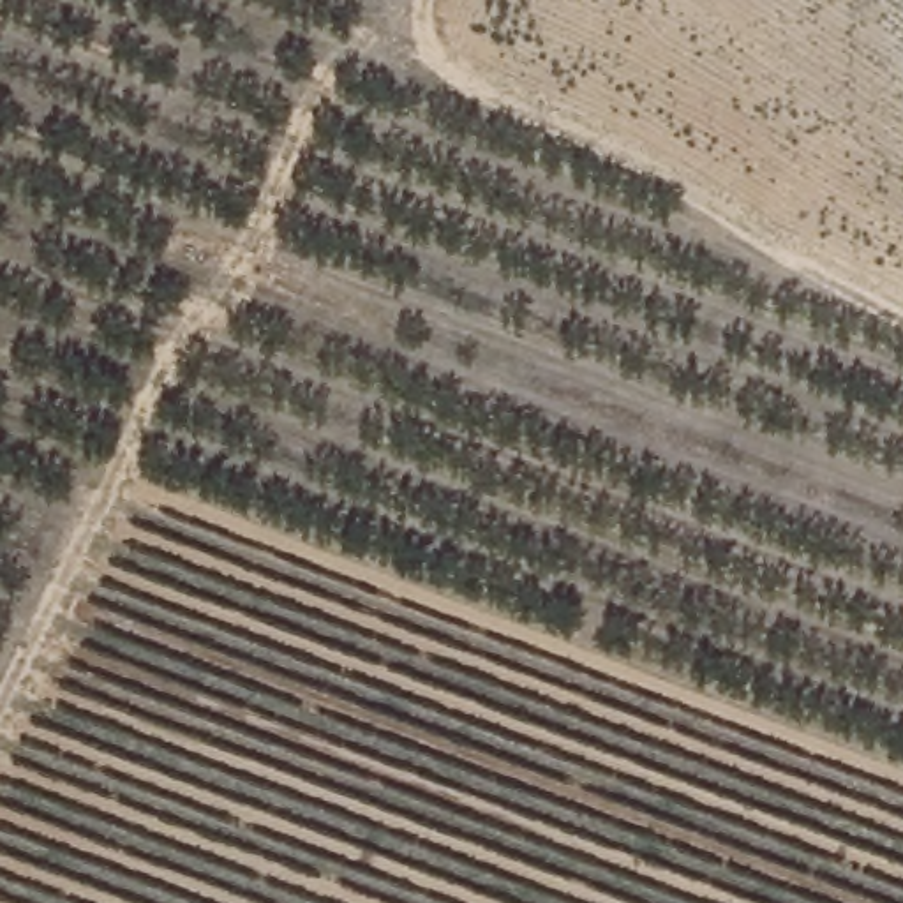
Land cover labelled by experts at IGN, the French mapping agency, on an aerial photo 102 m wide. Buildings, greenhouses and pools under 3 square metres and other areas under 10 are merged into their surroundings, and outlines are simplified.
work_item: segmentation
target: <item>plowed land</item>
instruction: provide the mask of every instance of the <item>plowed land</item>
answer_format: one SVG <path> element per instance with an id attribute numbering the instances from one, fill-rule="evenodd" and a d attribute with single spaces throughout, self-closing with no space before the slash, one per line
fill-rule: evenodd
<path id="1" fill-rule="evenodd" d="M 370 402 L 377 402 L 381 388 L 360 388 L 353 377 L 335 377 L 321 367 L 307 367 L 296 353 L 275 353 L 275 367 L 289 370 L 296 381 L 328 388 L 325 423 L 296 416 L 289 406 L 275 402 L 254 413 L 257 423 L 268 423 L 275 430 L 275 441 L 282 448 L 307 455 L 321 441 L 332 441 L 346 452 L 363 455 L 363 462 L 374 469 L 399 469 L 413 476 L 413 483 L 469 490 L 469 476 L 462 473 L 434 469 L 430 462 L 395 455 L 392 437 L 381 437 L 374 448 L 360 437 L 360 413 Z"/>
<path id="2" fill-rule="evenodd" d="M 452 208 L 466 212 L 466 229 L 497 226 L 501 233 L 515 233 L 522 222 L 497 208 L 487 208 L 483 201 L 462 198 L 459 190 L 441 190 L 427 183 L 416 169 L 384 169 L 381 162 L 363 162 L 346 148 L 335 148 L 332 162 L 353 169 L 356 183 L 370 187 L 370 208 L 363 212 L 356 205 L 335 205 L 321 194 L 310 194 L 303 205 L 325 219 L 360 226 L 360 233 L 381 229 L 381 190 L 388 187 L 413 190 L 423 205 L 434 205 L 434 219 L 444 219 Z"/>
<path id="3" fill-rule="evenodd" d="M 741 360 L 723 346 L 727 328 L 734 325 L 751 339 L 780 335 L 783 349 L 804 349 L 815 367 L 818 349 L 825 349 L 840 363 L 864 363 L 878 370 L 885 381 L 896 381 L 899 363 L 889 349 L 868 346 L 864 335 L 850 335 L 850 346 L 840 342 L 836 321 L 811 328 L 808 317 L 780 317 L 776 303 L 737 303 L 723 289 L 695 286 L 670 272 L 656 272 L 649 261 L 631 261 L 607 247 L 578 243 L 529 219 L 522 236 L 526 247 L 540 243 L 550 250 L 564 250 L 578 261 L 593 261 L 607 275 L 638 279 L 646 293 L 688 296 L 698 307 L 691 339 L 670 335 L 667 325 L 646 325 L 646 314 L 624 314 L 607 303 L 593 303 L 586 317 L 593 325 L 621 328 L 621 339 L 628 339 L 631 332 L 642 335 L 649 342 L 649 360 L 670 360 L 684 367 L 688 356 L 695 356 L 698 370 L 709 370 L 720 360 L 730 367 L 730 388 L 744 388 L 748 377 L 780 384 L 808 416 L 808 430 L 772 434 L 758 420 L 741 416 L 737 409 L 695 406 L 695 399 L 688 395 L 674 395 L 670 384 L 660 384 L 642 374 L 628 377 L 621 374 L 621 367 L 607 360 L 564 349 L 561 321 L 571 314 L 568 293 L 561 293 L 557 286 L 540 286 L 526 275 L 501 272 L 497 254 L 487 254 L 480 261 L 452 254 L 441 243 L 409 236 L 406 226 L 392 229 L 384 247 L 413 254 L 427 272 L 452 279 L 455 286 L 480 293 L 487 300 L 504 300 L 519 289 L 529 293 L 526 328 L 511 328 L 487 314 L 459 310 L 413 286 L 392 286 L 356 268 L 335 268 L 282 250 L 275 233 L 275 208 L 289 201 L 293 169 L 314 131 L 314 106 L 332 102 L 346 116 L 356 116 L 356 102 L 335 88 L 335 63 L 356 53 L 388 67 L 395 81 L 420 78 L 423 88 L 416 106 L 409 106 L 406 113 L 374 109 L 367 123 L 374 134 L 409 131 L 423 145 L 437 145 L 441 134 L 441 127 L 430 127 L 427 120 L 427 99 L 441 81 L 416 60 L 413 0 L 367 0 L 360 7 L 360 21 L 349 28 L 349 39 L 339 39 L 325 25 L 310 28 L 307 39 L 314 53 L 314 71 L 307 81 L 282 85 L 282 95 L 293 102 L 293 113 L 286 131 L 272 145 L 268 173 L 247 222 L 226 226 L 208 208 L 187 208 L 183 201 L 173 205 L 173 236 L 166 243 L 166 265 L 187 272 L 190 296 L 180 303 L 176 314 L 159 321 L 155 356 L 131 406 L 123 406 L 116 452 L 106 462 L 92 462 L 88 469 L 78 469 L 71 476 L 71 501 L 78 504 L 78 519 L 71 522 L 60 543 L 56 564 L 42 593 L 32 586 L 21 589 L 0 653 L 0 737 L 18 741 L 32 713 L 56 709 L 63 688 L 56 681 L 71 667 L 67 656 L 74 653 L 74 646 L 88 638 L 88 628 L 95 624 L 95 607 L 88 603 L 88 596 L 95 593 L 95 582 L 102 575 L 120 578 L 123 571 L 109 564 L 109 557 L 116 554 L 116 543 L 127 540 L 134 529 L 131 515 L 141 511 L 155 519 L 159 508 L 176 504 L 183 490 L 166 490 L 145 480 L 138 452 L 141 434 L 152 430 L 159 395 L 169 384 L 176 384 L 176 353 L 187 346 L 190 335 L 205 335 L 215 349 L 233 349 L 247 360 L 261 360 L 261 346 L 233 339 L 226 321 L 240 303 L 254 300 L 286 307 L 293 321 L 314 321 L 328 332 L 353 335 L 374 349 L 392 349 L 399 339 L 399 314 L 420 310 L 430 325 L 430 339 L 423 346 L 413 346 L 406 360 L 416 367 L 427 363 L 434 377 L 459 377 L 462 392 L 511 395 L 522 406 L 536 406 L 554 423 L 600 430 L 603 437 L 628 444 L 631 455 L 653 452 L 660 466 L 705 469 L 720 480 L 720 490 L 748 487 L 751 494 L 780 501 L 787 511 L 818 511 L 825 519 L 847 522 L 861 529 L 864 543 L 903 547 L 903 469 L 885 469 L 868 459 L 829 452 L 825 416 L 843 409 L 840 395 L 811 388 L 790 370 Z"/>
<path id="4" fill-rule="evenodd" d="M 480 145 L 476 138 L 466 138 L 459 159 L 480 159 L 490 169 L 508 169 L 519 183 L 533 183 L 540 194 L 564 194 L 571 201 L 582 201 L 586 208 L 600 212 L 603 222 L 635 222 L 649 229 L 656 243 L 667 236 L 705 243 L 720 257 L 748 261 L 751 279 L 783 282 L 794 275 L 808 289 L 871 310 L 889 325 L 903 325 L 903 219 L 878 219 L 868 229 L 857 226 L 847 240 L 850 215 L 840 219 L 843 236 L 829 236 L 829 208 L 818 208 L 818 233 L 811 240 L 790 236 L 787 247 L 780 247 L 765 233 L 744 233 L 737 226 L 737 215 L 744 208 L 730 205 L 723 194 L 691 187 L 684 198 L 677 212 L 656 219 L 653 212 L 638 212 L 621 201 L 610 201 L 607 194 L 596 194 L 593 183 L 575 187 L 571 166 L 547 173 L 543 166 L 526 166 L 522 159 L 501 155 Z"/>
<path id="5" fill-rule="evenodd" d="M 903 607 L 903 586 L 829 561 L 818 564 L 811 582 L 815 593 L 825 593 L 825 578 L 836 578 L 847 593 L 868 593 L 875 600 Z"/>
<path id="6" fill-rule="evenodd" d="M 286 501 L 314 511 L 332 526 L 377 533 L 381 540 L 402 543 L 406 550 L 427 550 L 430 536 L 423 533 L 392 526 L 388 519 L 363 508 L 349 508 L 349 515 L 342 515 L 325 497 L 296 487 L 303 473 L 300 466 L 268 459 L 254 473 L 247 466 L 226 466 L 222 455 L 212 455 L 205 462 L 201 448 L 180 444 L 173 452 L 176 462 L 198 469 L 201 480 L 219 476 L 226 483 L 247 483 L 254 476 L 268 476 L 265 494 L 282 494 Z"/>
<path id="7" fill-rule="evenodd" d="M 730 540 L 734 554 L 755 554 L 758 561 L 790 561 L 808 568 L 808 554 L 769 543 L 765 536 L 751 536 L 741 526 L 698 519 L 698 487 L 688 487 L 684 501 L 677 504 L 660 497 L 646 501 L 646 515 L 653 522 L 684 522 L 691 533 Z"/>
<path id="8" fill-rule="evenodd" d="M 18 28 L 11 18 L 0 18 L 0 49 L 14 49 L 25 60 L 49 56 L 74 63 L 74 49 L 56 46 L 53 35 L 35 35 L 28 28 Z"/>
<path id="9" fill-rule="evenodd" d="M 607 494 L 614 504 L 628 501 L 628 483 L 617 483 L 596 469 L 571 469 L 550 455 L 550 448 L 529 448 L 529 441 L 511 441 L 497 455 L 497 466 L 511 466 L 515 459 L 522 459 L 533 469 L 554 473 L 557 487 L 578 497 Z"/>
<path id="10" fill-rule="evenodd" d="M 677 575 L 688 586 L 709 586 L 741 603 L 751 603 L 751 610 L 762 610 L 769 624 L 776 624 L 776 617 L 794 617 L 804 628 L 815 628 L 818 642 L 861 642 L 882 653 L 889 667 L 903 667 L 903 649 L 885 642 L 875 624 L 854 628 L 847 614 L 815 614 L 804 603 L 797 603 L 797 575 L 787 575 L 787 586 L 780 586 L 776 596 L 762 596 L 758 589 L 744 589 L 737 575 L 727 568 L 709 571 L 705 557 L 681 557 L 677 547 L 660 547 L 646 536 L 624 540 L 621 526 L 589 526 L 575 519 L 568 529 L 582 543 L 603 547 L 617 557 L 646 561 L 653 575 Z"/>
<path id="11" fill-rule="evenodd" d="M 621 607 L 624 589 L 596 586 L 582 571 L 547 571 L 543 582 L 536 575 L 526 575 L 519 582 L 519 596 L 533 596 L 543 607 L 582 603 L 582 621 L 571 635 L 575 642 L 596 646 L 603 617 L 624 628 L 638 628 L 642 621 L 642 614 Z"/>
<path id="12" fill-rule="evenodd" d="M 797 116 L 797 85 L 787 81 L 787 95 L 758 102 L 755 116 Z"/>
<path id="13" fill-rule="evenodd" d="M 850 430 L 861 430 L 861 423 L 871 420 L 878 423 L 878 437 L 903 437 L 903 420 L 882 416 L 864 402 L 857 402 L 850 416 Z"/>
<path id="14" fill-rule="evenodd" d="M 519 504 L 511 501 L 511 494 L 497 490 L 480 497 L 480 511 L 504 511 L 511 519 L 511 540 L 529 543 L 533 529 L 557 526 L 561 511 Z"/>

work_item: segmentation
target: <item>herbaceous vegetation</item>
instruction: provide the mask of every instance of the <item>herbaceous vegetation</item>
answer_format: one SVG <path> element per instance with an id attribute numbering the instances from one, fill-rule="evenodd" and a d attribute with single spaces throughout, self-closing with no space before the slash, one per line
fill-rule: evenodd
<path id="1" fill-rule="evenodd" d="M 868 229 L 878 219 L 903 219 L 903 0 L 529 0 L 536 28 L 547 42 L 547 56 L 540 60 L 536 46 L 529 42 L 497 46 L 487 35 L 473 32 L 476 21 L 490 21 L 483 0 L 434 0 L 434 35 L 448 60 L 469 60 L 473 74 L 494 85 L 494 99 L 487 106 L 508 109 L 526 123 L 571 138 L 628 169 L 677 183 L 684 198 L 691 187 L 723 194 L 730 205 L 744 208 L 737 215 L 737 226 L 744 233 L 765 233 L 780 247 L 787 247 L 790 236 L 811 240 L 818 233 L 818 208 L 829 208 L 829 236 L 843 236 L 840 219 L 850 215 L 847 240 L 857 226 Z M 564 63 L 575 60 L 578 46 L 586 49 L 586 63 L 596 63 L 596 74 L 582 78 L 575 92 L 564 95 L 554 78 Z M 787 95 L 787 81 L 797 85 L 797 116 L 755 116 L 758 102 Z"/>

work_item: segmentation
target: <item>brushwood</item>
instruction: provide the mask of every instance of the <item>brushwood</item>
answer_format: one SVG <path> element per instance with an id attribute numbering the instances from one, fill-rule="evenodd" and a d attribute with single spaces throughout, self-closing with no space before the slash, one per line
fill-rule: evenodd
<path id="1" fill-rule="evenodd" d="M 476 21 L 473 32 L 487 35 L 497 46 L 529 42 L 536 46 L 540 60 L 547 56 L 547 42 L 536 28 L 529 0 L 483 0 L 490 21 Z"/>
<path id="2" fill-rule="evenodd" d="M 596 74 L 596 63 L 586 63 L 586 49 L 578 46 L 575 60 L 564 63 L 554 78 L 564 95 L 575 92 L 582 78 Z"/>

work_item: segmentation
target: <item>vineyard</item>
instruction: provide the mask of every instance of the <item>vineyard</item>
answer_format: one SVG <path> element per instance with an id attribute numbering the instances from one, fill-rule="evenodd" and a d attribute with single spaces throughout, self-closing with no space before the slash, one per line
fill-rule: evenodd
<path id="1" fill-rule="evenodd" d="M 716 684 L 698 688 L 691 677 L 677 677 L 660 663 L 631 663 L 596 646 L 575 642 L 571 635 L 554 635 L 543 624 L 526 624 L 490 603 L 473 603 L 448 589 L 420 586 L 374 557 L 349 557 L 342 554 L 342 547 L 321 547 L 314 540 L 303 540 L 300 533 L 275 529 L 257 515 L 240 515 L 215 501 L 205 501 L 194 490 L 183 490 L 176 504 L 159 508 L 155 519 L 141 511 L 131 515 L 134 529 L 127 540 L 116 543 L 116 554 L 109 557 L 109 564 L 123 571 L 120 578 L 102 575 L 95 582 L 95 593 L 88 596 L 88 603 L 95 607 L 95 624 L 88 628 L 88 638 L 74 646 L 74 653 L 67 656 L 71 667 L 56 681 L 63 688 L 56 709 L 32 713 L 18 741 L 0 737 L 0 903 L 903 903 L 903 794 L 892 794 L 843 769 L 822 765 L 815 758 L 783 751 L 776 744 L 755 741 L 741 730 L 702 720 L 698 713 L 716 713 L 723 720 L 755 727 L 808 751 L 903 783 L 903 762 L 892 762 L 885 748 L 868 751 L 861 741 L 847 741 L 822 727 L 801 727 L 769 709 L 755 709 L 751 702 L 737 702 L 723 695 Z"/>

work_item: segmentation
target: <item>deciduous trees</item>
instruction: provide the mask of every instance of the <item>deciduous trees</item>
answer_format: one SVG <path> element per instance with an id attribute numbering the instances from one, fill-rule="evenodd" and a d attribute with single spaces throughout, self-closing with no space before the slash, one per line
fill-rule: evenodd
<path id="1" fill-rule="evenodd" d="M 42 593 L 56 564 L 60 543 L 71 522 L 78 519 L 78 504 L 71 501 L 71 476 L 78 469 L 88 469 L 92 462 L 106 462 L 116 452 L 123 406 L 131 406 L 155 356 L 159 321 L 176 314 L 180 303 L 190 296 L 187 272 L 166 265 L 166 243 L 173 236 L 173 205 L 183 201 L 187 208 L 208 208 L 226 226 L 247 222 L 268 173 L 272 145 L 286 131 L 293 113 L 293 102 L 282 95 L 282 85 L 307 81 L 314 71 L 314 53 L 307 39 L 310 28 L 325 25 L 339 39 L 349 39 L 349 28 L 360 21 L 360 7 L 367 0 L 0 0 L 0 18 L 11 18 L 18 28 L 28 28 L 35 35 L 53 35 L 56 46 L 74 49 L 74 63 L 49 56 L 25 60 L 14 49 L 0 49 L 0 653 L 21 589 L 32 586 Z"/>
<path id="2" fill-rule="evenodd" d="M 564 349 L 607 360 L 621 367 L 621 374 L 628 377 L 642 374 L 660 384 L 670 384 L 674 395 L 688 395 L 695 399 L 695 406 L 737 409 L 741 416 L 758 420 L 772 434 L 808 430 L 808 416 L 780 384 L 748 377 L 744 388 L 730 388 L 730 367 L 720 360 L 709 370 L 698 370 L 695 356 L 688 356 L 684 367 L 670 360 L 649 360 L 649 342 L 642 335 L 631 332 L 628 339 L 621 339 L 621 328 L 593 325 L 586 317 L 593 303 L 607 303 L 624 314 L 646 314 L 646 325 L 667 325 L 670 335 L 691 339 L 698 307 L 688 296 L 646 293 L 638 279 L 607 275 L 593 261 L 578 261 L 564 250 L 550 250 L 540 243 L 526 247 L 522 236 L 529 219 L 578 243 L 607 247 L 631 261 L 649 261 L 656 272 L 670 272 L 695 286 L 723 289 L 737 303 L 776 303 L 780 317 L 808 317 L 811 328 L 836 321 L 840 342 L 850 346 L 850 335 L 864 335 L 868 346 L 889 349 L 899 363 L 896 381 L 885 381 L 878 370 L 864 363 L 840 363 L 825 349 L 818 349 L 815 367 L 804 349 L 783 349 L 780 335 L 751 339 L 734 325 L 727 328 L 723 346 L 741 360 L 790 370 L 811 388 L 840 395 L 843 409 L 825 416 L 829 452 L 868 459 L 885 469 L 903 469 L 903 437 L 878 437 L 878 423 L 871 420 L 861 423 L 861 430 L 850 430 L 850 416 L 857 402 L 864 402 L 882 416 L 903 420 L 903 325 L 889 325 L 871 310 L 808 289 L 794 275 L 783 282 L 751 279 L 748 261 L 720 257 L 705 243 L 667 236 L 656 243 L 649 229 L 635 222 L 603 222 L 600 212 L 586 208 L 582 201 L 571 201 L 564 194 L 540 194 L 533 183 L 519 183 L 508 169 L 490 169 L 480 159 L 459 159 L 466 138 L 476 138 L 480 145 L 501 155 L 522 159 L 526 166 L 543 166 L 547 173 L 571 166 L 575 187 L 593 183 L 596 194 L 607 194 L 610 201 L 621 201 L 638 212 L 653 212 L 656 219 L 677 212 L 684 198 L 677 183 L 628 169 L 571 138 L 526 123 L 508 109 L 487 106 L 441 81 L 427 99 L 427 120 L 430 127 L 441 127 L 441 134 L 437 145 L 423 145 L 409 131 L 374 134 L 367 123 L 374 109 L 406 113 L 409 106 L 416 106 L 423 88 L 420 78 L 395 81 L 388 67 L 356 53 L 335 63 L 335 88 L 356 102 L 356 116 L 346 116 L 332 102 L 314 106 L 314 131 L 293 169 L 289 201 L 275 208 L 275 233 L 282 250 L 335 268 L 356 268 L 392 286 L 413 286 L 459 310 L 487 314 L 511 328 L 526 328 L 529 293 L 519 289 L 504 300 L 487 300 L 480 293 L 455 286 L 452 279 L 427 272 L 413 254 L 384 247 L 392 229 L 406 226 L 409 236 L 441 243 L 452 254 L 480 261 L 487 254 L 497 254 L 501 272 L 526 275 L 540 286 L 557 286 L 561 293 L 568 293 L 571 314 L 561 321 Z M 335 148 L 346 148 L 363 162 L 381 162 L 384 169 L 416 169 L 427 183 L 441 190 L 459 190 L 462 198 L 483 201 L 487 208 L 497 208 L 522 222 L 515 233 L 501 233 L 497 226 L 466 229 L 466 212 L 452 208 L 444 219 L 434 219 L 434 205 L 423 205 L 413 190 L 388 187 L 381 190 L 381 229 L 360 233 L 360 226 L 325 219 L 303 205 L 310 194 L 321 194 L 335 205 L 356 205 L 363 212 L 370 208 L 370 187 L 356 183 L 353 169 L 332 162 Z"/>
<path id="3" fill-rule="evenodd" d="M 215 349 L 205 335 L 190 335 L 187 346 L 176 353 L 176 384 L 169 384 L 159 395 L 152 430 L 141 434 L 138 452 L 145 480 L 166 490 L 183 490 L 194 490 L 205 501 L 215 501 L 240 515 L 257 515 L 275 529 L 300 533 L 303 540 L 314 540 L 321 547 L 342 547 L 342 554 L 349 557 L 374 557 L 420 586 L 448 589 L 473 603 L 490 603 L 526 624 L 543 624 L 554 635 L 571 635 L 582 621 L 582 603 L 543 607 L 533 596 L 519 596 L 519 582 L 526 575 L 536 575 L 543 582 L 547 571 L 582 571 L 596 586 L 624 589 L 621 607 L 642 614 L 642 621 L 638 628 L 624 628 L 603 617 L 596 646 L 631 663 L 660 663 L 677 677 L 691 677 L 698 688 L 716 684 L 723 695 L 737 702 L 751 702 L 755 709 L 769 709 L 801 727 L 822 727 L 847 741 L 861 741 L 868 751 L 885 748 L 892 762 L 903 762 L 903 667 L 889 667 L 882 653 L 861 642 L 818 642 L 815 628 L 804 628 L 794 617 L 776 617 L 776 624 L 769 624 L 762 610 L 751 610 L 751 603 L 741 603 L 709 586 L 688 586 L 677 575 L 653 575 L 646 561 L 617 557 L 603 547 L 582 543 L 568 529 L 575 519 L 589 526 L 621 526 L 624 540 L 646 536 L 660 547 L 677 547 L 681 557 L 705 557 L 709 571 L 727 568 L 737 575 L 744 589 L 758 589 L 762 596 L 776 596 L 780 586 L 787 586 L 787 575 L 797 575 L 797 603 L 804 603 L 815 614 L 847 614 L 854 628 L 875 624 L 885 642 L 903 649 L 903 607 L 875 600 L 868 593 L 847 593 L 836 578 L 825 578 L 825 593 L 815 593 L 811 582 L 818 564 L 829 561 L 903 586 L 903 547 L 864 543 L 861 529 L 847 522 L 825 519 L 818 511 L 787 511 L 780 501 L 751 494 L 748 487 L 720 490 L 720 480 L 705 469 L 660 466 L 653 452 L 631 455 L 628 444 L 603 437 L 600 430 L 554 423 L 536 406 L 522 406 L 511 395 L 462 392 L 459 377 L 434 377 L 427 363 L 416 367 L 406 360 L 413 346 L 423 346 L 430 339 L 430 325 L 420 310 L 399 314 L 399 339 L 392 349 L 374 349 L 353 335 L 328 332 L 314 321 L 293 321 L 286 307 L 254 300 L 240 303 L 226 321 L 233 339 L 261 346 L 261 360 L 247 360 L 233 349 Z M 363 455 L 346 452 L 332 441 L 321 441 L 307 455 L 282 448 L 275 441 L 275 430 L 268 423 L 257 423 L 254 413 L 275 402 L 289 406 L 296 416 L 325 423 L 328 388 L 296 381 L 289 370 L 275 367 L 275 353 L 296 353 L 307 367 L 321 367 L 335 377 L 353 377 L 360 388 L 381 388 L 377 402 L 370 402 L 360 413 L 360 437 L 374 448 L 381 437 L 392 437 L 395 455 L 430 462 L 434 469 L 462 473 L 469 476 L 469 490 L 413 483 L 413 476 L 399 469 L 374 469 L 363 462 Z M 515 459 L 511 466 L 497 466 L 497 455 L 511 441 L 529 441 L 529 448 L 550 448 L 550 455 L 571 469 L 596 469 L 617 483 L 628 483 L 628 501 L 614 504 L 607 494 L 578 497 L 557 487 L 554 473 L 533 469 L 522 459 Z M 349 508 L 363 508 L 388 519 L 392 526 L 423 533 L 430 536 L 427 550 L 406 550 L 402 543 L 381 540 L 377 533 L 332 526 L 314 511 L 286 501 L 282 494 L 265 494 L 268 476 L 254 476 L 247 483 L 226 483 L 219 476 L 201 480 L 198 469 L 176 462 L 173 452 L 180 444 L 201 448 L 205 462 L 212 455 L 222 455 L 226 466 L 247 466 L 254 473 L 268 459 L 300 466 L 303 473 L 296 487 L 325 497 L 342 515 L 349 515 Z M 808 554 L 808 568 L 790 561 L 758 561 L 755 554 L 734 554 L 730 540 L 691 533 L 684 522 L 653 522 L 646 515 L 646 501 L 660 497 L 677 504 L 684 501 L 688 487 L 698 487 L 698 519 L 741 526 L 751 536 L 765 536 L 769 543 Z M 511 540 L 511 519 L 504 511 L 480 511 L 480 497 L 497 490 L 511 494 L 511 501 L 519 504 L 561 511 L 557 526 L 533 529 L 529 543 Z"/>
<path id="4" fill-rule="evenodd" d="M 755 727 L 723 720 L 716 713 L 698 713 L 702 720 L 741 730 L 755 741 L 776 744 L 783 751 L 815 758 L 822 765 L 843 769 L 892 794 L 903 794 L 903 783 L 808 751 Z"/>

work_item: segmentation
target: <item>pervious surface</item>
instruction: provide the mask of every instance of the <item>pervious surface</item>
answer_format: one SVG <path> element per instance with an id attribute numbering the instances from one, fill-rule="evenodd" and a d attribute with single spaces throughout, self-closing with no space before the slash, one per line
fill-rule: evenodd
<path id="1" fill-rule="evenodd" d="M 413 0 L 416 60 L 441 81 L 487 106 L 494 99 L 494 85 L 473 74 L 469 60 L 448 60 L 434 35 L 434 0 Z"/>

